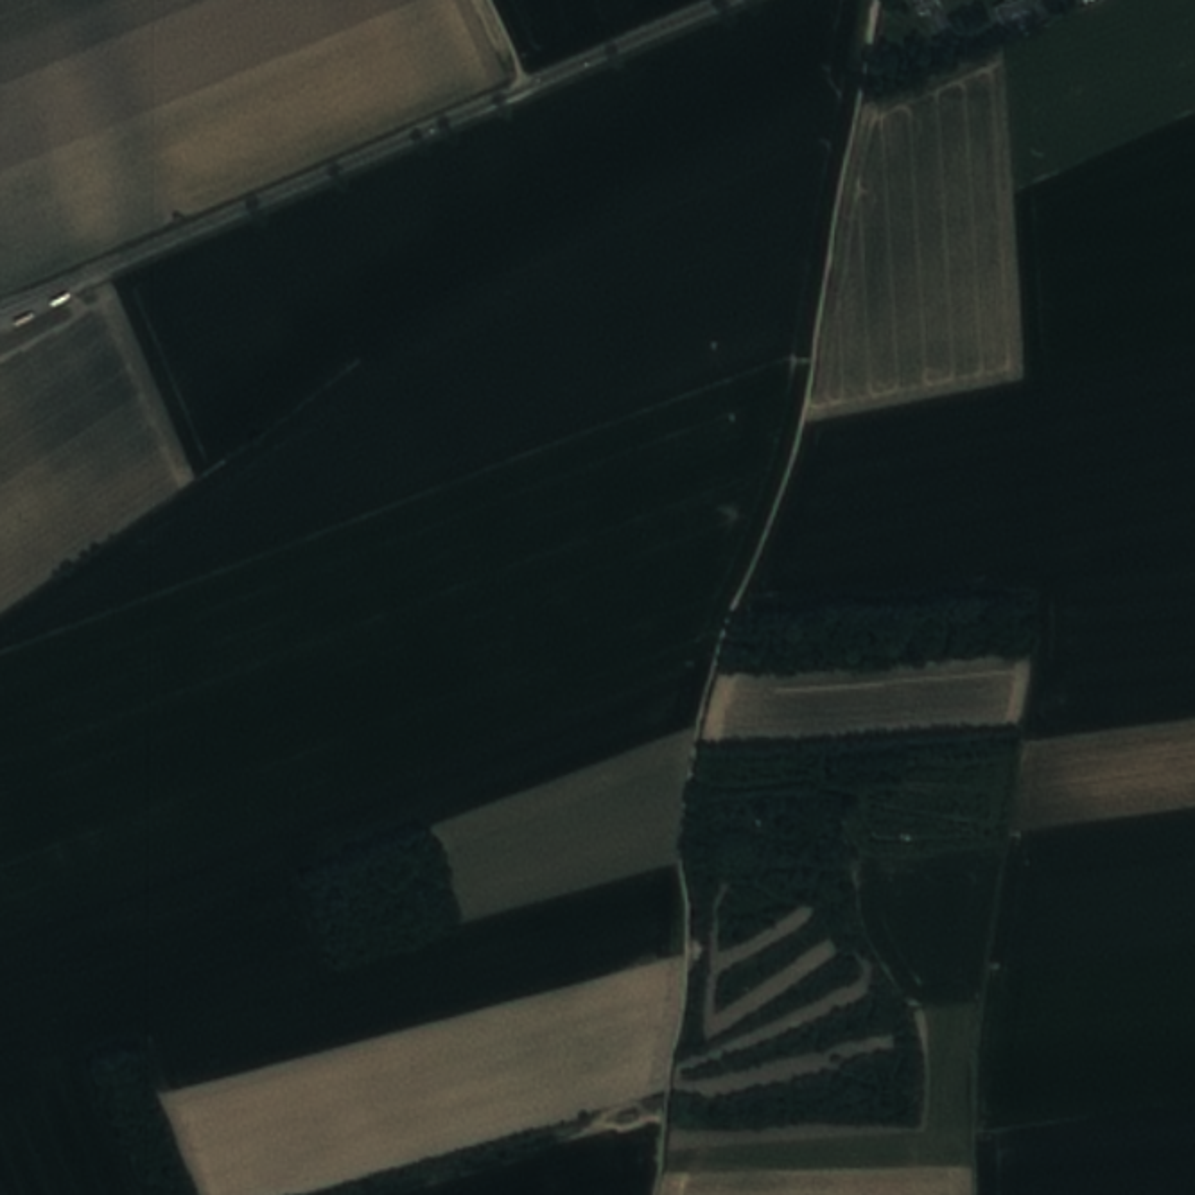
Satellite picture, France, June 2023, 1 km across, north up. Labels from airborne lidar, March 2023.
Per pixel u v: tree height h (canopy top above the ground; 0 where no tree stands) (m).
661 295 0
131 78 0
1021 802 0
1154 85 0
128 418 0
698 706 0
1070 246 0
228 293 0
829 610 17
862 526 0
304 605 0
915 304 0
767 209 0
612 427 0
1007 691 0
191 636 0
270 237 0
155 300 0
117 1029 0
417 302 0
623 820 0
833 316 0
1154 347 0
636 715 0
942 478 0
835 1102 6
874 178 0
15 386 0
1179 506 0
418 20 0
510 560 0
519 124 0
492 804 0
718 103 0
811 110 0
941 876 0
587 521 0
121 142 0
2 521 0
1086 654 0
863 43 0
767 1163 0
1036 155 0
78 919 0
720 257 0
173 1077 0
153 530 0
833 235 0
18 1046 0
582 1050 0
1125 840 0
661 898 0
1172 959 0
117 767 0
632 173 0
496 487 0
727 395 0
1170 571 0
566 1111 0
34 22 0
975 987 0
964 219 0
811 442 0
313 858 0
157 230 0
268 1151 0
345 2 0
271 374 0
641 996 0
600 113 0
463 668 0
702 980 10
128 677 0
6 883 0
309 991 0
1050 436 0
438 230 0
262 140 0
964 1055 0
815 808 9
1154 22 0
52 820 0
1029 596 6
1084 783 0
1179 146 0
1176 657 0
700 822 7
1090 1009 0
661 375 0
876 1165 0
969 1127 0
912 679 0
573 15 0
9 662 0
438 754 0
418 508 0
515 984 0
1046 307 0
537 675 0
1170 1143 0
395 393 0
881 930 0
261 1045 0
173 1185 16
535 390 0
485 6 0
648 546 0
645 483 0
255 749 0
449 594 0
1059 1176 0
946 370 0
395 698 0
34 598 0
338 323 0
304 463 0
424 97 0
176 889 0
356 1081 0
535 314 0
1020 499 0
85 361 0
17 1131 0
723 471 0
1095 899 0
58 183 0
